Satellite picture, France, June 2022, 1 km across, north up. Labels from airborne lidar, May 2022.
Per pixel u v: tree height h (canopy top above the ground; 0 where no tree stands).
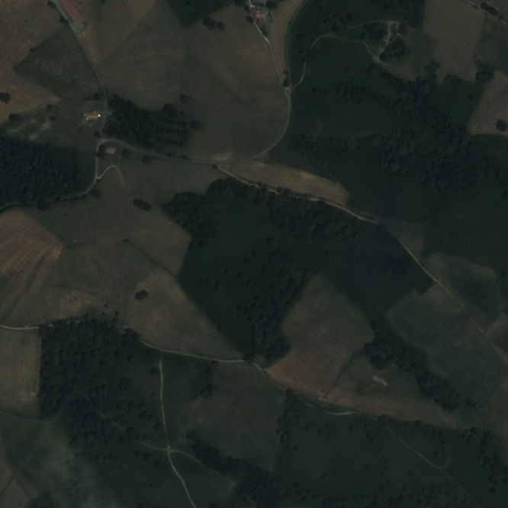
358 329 0
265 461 0
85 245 0
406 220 0
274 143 0
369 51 0
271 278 0
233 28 0
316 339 0
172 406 0
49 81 0
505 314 0
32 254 0
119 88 0
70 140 0
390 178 7
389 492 0
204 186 0
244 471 23
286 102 0
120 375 0
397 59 16
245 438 0
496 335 0
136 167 0
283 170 0
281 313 17
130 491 0
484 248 0
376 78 0
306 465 0
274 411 0
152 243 0
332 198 0
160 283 0
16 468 0
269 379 0
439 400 19
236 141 0
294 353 0
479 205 0
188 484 0
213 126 0
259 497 20
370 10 0
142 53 0
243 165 0
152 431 0
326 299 0
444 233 0
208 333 0
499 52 0
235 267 0
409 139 7
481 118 0
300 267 16
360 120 0
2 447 0
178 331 0
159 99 0
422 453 0
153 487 11
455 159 12
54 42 0
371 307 0
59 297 0
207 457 15
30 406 0
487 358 0
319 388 0
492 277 0
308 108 0
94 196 11
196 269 0
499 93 0
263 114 0
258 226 0
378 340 10
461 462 0
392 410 0
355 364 0
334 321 0
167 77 0
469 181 12
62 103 0
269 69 0
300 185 0
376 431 0
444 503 0
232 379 0
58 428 0
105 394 15
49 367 16
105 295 0
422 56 0
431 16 0
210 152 0
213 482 0
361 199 0
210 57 0
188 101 11
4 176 25
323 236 19
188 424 0
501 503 0
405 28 13
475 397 0
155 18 0
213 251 0
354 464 0
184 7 0
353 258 0
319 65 0
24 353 0
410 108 11
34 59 0
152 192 0
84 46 0
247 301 0
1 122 0
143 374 0
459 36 0
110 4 0
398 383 0
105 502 0
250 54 0
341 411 0
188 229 7
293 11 0
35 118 0
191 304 0
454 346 0
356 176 0
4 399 0
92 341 13
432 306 0
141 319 0
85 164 0
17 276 0
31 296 0
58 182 17
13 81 0
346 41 0
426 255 0
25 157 20
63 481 0
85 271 0
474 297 0
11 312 0
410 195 0
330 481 0
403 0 15
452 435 0
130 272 0
